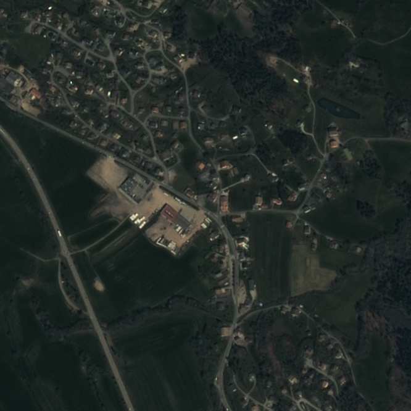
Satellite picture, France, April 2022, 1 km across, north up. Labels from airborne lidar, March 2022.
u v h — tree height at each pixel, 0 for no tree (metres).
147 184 0
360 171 0
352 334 0
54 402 0
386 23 0
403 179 0
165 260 0
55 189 0
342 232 0
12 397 0
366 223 0
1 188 0
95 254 0
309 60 0
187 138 0
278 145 0
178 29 22
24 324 0
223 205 0
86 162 0
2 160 0
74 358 0
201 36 0
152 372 0
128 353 0
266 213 0
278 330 0
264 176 0
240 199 0
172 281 0
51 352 0
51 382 0
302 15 23
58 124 0
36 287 0
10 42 0
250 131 0
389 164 0
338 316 0
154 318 15
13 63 0
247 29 0
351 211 0
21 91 0
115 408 0
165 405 0
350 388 22
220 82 0
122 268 0
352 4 0
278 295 0
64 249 0
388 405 0
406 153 0
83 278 0
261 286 0
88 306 0
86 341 0
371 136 0
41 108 12
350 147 0
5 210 0
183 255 0
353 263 0
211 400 0
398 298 15
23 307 0
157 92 0
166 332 0
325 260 0
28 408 0
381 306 20
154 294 0
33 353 0
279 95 11
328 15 0
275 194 0
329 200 9
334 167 13
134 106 0
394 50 0
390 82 0
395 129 16
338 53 0
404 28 0
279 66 0
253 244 0
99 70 0
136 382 0
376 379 7
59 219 0
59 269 0
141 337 0
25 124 0
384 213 0
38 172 0
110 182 0
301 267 0
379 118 0
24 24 0
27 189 0
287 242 0
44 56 0
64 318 0
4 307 20
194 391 0
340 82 14
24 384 0
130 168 0
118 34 0
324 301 0
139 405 0
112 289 0
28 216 0
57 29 0
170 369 0
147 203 0
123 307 0
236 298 0
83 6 7
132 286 0
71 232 0
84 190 0
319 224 0
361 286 0
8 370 0
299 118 0
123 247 0
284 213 0
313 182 0
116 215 0
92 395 0
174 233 0
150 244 0
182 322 0
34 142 0
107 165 0
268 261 0
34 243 0
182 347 0
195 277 0
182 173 0
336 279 0
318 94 0
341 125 0
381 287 14
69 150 0
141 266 0
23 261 0
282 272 0
